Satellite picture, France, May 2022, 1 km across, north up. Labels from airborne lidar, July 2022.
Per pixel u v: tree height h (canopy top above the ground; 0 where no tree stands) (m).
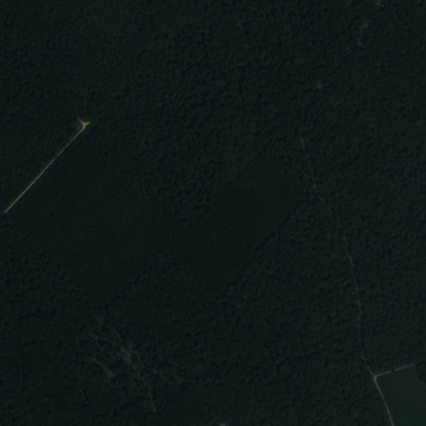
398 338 23
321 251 28
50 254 9
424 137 26
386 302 27
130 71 22
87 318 24
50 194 7
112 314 29
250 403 18
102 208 8
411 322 25
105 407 29
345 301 28
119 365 27
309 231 29
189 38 31
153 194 20
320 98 23
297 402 29
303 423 27
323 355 24
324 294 29
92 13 18
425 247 26
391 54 25
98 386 31
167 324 20
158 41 23
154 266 24
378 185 27
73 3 16
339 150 27
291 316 29
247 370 29
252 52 24
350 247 22
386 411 18
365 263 26
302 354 25
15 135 22
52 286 24
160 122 25
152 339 26
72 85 21
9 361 24
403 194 24
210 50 24
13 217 7
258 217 14
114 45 12
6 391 26
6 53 20
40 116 24
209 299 23
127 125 24
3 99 21
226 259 16
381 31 25
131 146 21
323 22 24
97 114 21
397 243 25
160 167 22
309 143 29
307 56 29
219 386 23
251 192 16
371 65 23
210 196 21
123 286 9
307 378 25
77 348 27
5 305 28
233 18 19
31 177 6
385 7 29
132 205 7
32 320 26
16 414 30
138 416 28
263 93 22
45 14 20
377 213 26
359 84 20
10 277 26
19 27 24
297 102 28
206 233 10
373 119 24
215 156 23
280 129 31
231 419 18
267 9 27
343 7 31
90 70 16
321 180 26
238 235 18
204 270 12
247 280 25
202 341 24
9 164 18
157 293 22
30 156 16
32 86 19
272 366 16
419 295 22
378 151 28
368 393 27
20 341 28
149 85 21
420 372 24
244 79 27
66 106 18
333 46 27
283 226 25
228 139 21
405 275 25
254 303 27
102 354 30
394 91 26
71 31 17
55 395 29
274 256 29
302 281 26
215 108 28
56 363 27
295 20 23
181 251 12
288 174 11
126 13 19
